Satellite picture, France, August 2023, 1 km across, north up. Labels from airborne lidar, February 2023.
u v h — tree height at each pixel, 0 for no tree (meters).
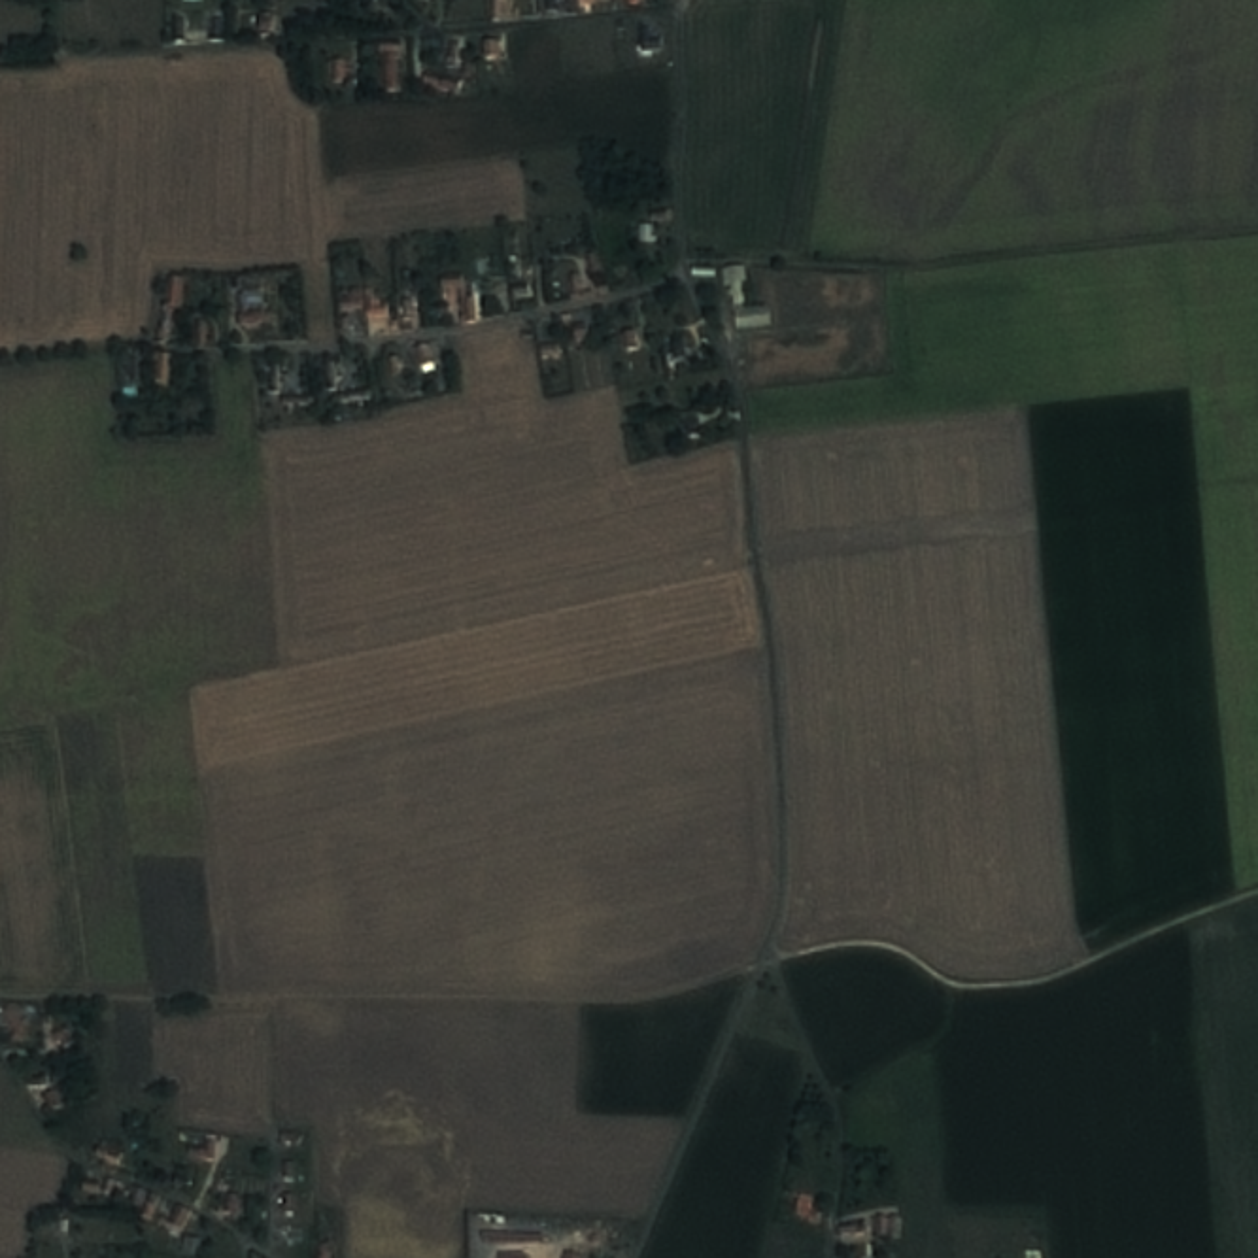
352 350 9
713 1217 0
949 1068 0
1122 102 0
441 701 0
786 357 0
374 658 0
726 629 0
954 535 0
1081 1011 0
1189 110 0
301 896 0
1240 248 0
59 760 0
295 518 0
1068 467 0
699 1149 0
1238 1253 0
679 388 0
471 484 0
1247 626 0
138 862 0
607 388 0
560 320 8
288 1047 0
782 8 0
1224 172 0
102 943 0
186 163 0
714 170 0
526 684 0
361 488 0
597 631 0
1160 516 0
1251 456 0
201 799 0
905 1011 0
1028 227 0
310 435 0
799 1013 0
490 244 0
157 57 0
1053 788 0
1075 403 0
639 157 10
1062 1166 0
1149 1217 0
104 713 0
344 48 0
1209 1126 0
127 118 0
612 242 0
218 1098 0
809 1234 0
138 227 0
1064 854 0
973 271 0
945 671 0
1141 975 0
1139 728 0
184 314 7
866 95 0
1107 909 0
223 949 0
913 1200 0
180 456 0
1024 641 0
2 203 0
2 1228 0
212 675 0
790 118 0
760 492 0
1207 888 0
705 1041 0
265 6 14
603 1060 0
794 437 0
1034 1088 0
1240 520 0
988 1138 0
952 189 0
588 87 0
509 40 0
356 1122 0
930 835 0
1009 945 0
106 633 0
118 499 0
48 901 0
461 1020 0
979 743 0
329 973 0
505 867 0
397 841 0
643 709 0
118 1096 0
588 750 0
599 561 0
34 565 0
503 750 0
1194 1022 0
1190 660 0
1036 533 0
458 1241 0
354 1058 0
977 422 0
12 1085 0
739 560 0
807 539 0
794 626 0
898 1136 0
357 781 0
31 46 13
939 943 0
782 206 0
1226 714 0
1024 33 0
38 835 0
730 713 0
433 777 0
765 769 0
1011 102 0
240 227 0
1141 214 0
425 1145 0
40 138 0
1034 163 0
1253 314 0
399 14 12
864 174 0
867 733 0
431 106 0
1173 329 0
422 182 0
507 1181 0
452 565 0
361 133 0
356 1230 0
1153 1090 0
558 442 0
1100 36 0
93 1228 0
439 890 0
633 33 0
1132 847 0
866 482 0
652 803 0
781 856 0
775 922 0
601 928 0
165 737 0
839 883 0
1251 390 0
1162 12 0
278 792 0
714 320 15
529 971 0
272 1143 0
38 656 0
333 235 0
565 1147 0
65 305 0
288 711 0
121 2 0
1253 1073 0
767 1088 0
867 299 0
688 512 0
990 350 0
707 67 0
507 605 0
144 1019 0
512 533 0
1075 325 0
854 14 0
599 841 0
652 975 0
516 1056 0
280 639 0
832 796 0
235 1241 0
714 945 0
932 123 0
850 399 0
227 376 0
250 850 0
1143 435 0
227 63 0
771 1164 0
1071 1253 0
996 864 0
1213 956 0
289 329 7
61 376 0
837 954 0
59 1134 16
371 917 0
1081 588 0
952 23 0
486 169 0
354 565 0
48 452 0
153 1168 9
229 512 0
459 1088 0
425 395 8
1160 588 0
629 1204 0
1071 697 0
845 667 0
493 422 0
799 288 0
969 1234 0
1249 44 0
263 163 0
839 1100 0
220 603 0
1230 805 0
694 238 0
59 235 0
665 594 0
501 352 0
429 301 9
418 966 0
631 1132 0
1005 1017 0
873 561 0
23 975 0
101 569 0
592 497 0
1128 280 0
